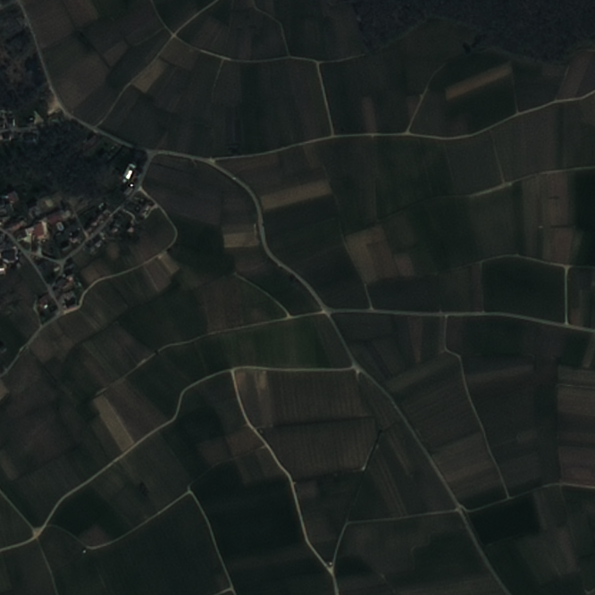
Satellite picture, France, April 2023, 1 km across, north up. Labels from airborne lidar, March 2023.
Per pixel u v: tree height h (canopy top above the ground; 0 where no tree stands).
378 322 0
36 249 10
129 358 0
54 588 0
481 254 0
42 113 0
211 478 0
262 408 0
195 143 0
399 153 0
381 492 0
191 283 0
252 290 0
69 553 0
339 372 0
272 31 0
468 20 24
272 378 0
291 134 0
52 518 0
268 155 0
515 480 0
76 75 0
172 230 0
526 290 0
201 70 0
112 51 0
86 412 0
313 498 0
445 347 0
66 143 19
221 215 0
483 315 0
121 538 0
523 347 0
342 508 0
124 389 0
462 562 0
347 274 0
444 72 0
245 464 0
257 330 0
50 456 0
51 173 22
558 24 25
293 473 0
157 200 0
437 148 0
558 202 0
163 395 0
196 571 0
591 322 0
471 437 0
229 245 0
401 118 0
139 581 0
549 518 0
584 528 0
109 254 0
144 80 0
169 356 0
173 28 0
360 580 0
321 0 0
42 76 15
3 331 0
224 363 0
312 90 0
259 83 0
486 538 0
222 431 0
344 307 0
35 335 0
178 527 0
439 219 0
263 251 0
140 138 0
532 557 0
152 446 0
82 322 0
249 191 0
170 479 0
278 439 0
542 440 0
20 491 0
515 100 0
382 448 0
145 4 0
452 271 0
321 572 0
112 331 0
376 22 20
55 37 0
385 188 0
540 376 0
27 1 0
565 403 0
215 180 0
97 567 0
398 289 0
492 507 0
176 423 0
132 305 0
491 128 0
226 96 0
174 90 0
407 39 0
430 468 0
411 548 0
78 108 0
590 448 0
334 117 0
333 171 0
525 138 0
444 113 0
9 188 0
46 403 0
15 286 0
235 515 0
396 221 0
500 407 0
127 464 0
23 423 0
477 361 0
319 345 0
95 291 0
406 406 0
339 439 0
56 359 0
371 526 0
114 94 0
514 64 0
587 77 0
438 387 0
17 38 10
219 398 0
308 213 0
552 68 0
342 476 0
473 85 0
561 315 0
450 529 0
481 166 0
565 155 0
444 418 0
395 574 0
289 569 0
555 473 0
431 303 0
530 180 0
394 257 0
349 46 0
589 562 0
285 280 0
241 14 0
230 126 0
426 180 0
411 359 0
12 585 0
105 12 0
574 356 0
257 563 0
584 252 0
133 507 0
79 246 0
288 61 0
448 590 0
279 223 0
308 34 0
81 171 15
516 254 0
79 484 0
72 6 0
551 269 0
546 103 0
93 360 0
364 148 0
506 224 0
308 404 0
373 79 0
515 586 0
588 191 0
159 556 0
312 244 0
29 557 0
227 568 0
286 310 0
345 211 0
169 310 0
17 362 0
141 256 0
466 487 0
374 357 0
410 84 0
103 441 0
